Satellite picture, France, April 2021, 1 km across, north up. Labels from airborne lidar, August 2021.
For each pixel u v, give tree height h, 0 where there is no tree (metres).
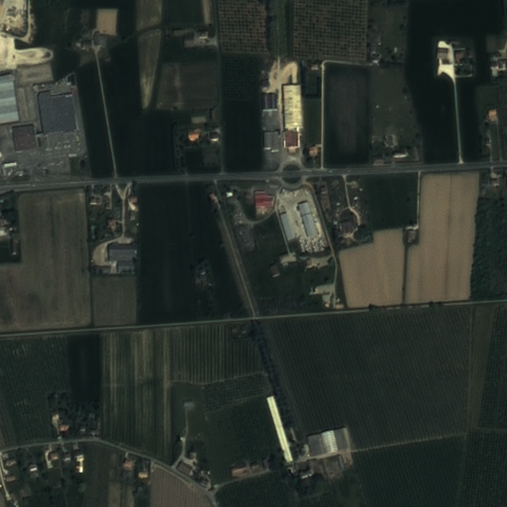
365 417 6
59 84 0
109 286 0
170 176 0
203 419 0
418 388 6
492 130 0
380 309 13
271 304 8
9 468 0
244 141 0
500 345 5
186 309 0
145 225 0
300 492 7
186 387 0
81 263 0
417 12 0
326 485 15
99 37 0
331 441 0
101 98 0
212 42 0
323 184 0
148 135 0
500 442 5
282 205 0
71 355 0
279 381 16
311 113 0
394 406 6
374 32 8
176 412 0
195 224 0
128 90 0
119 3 0
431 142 0
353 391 6
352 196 0
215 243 0
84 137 0
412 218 0
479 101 0
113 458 0
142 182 0
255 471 0
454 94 0
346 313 0
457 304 0
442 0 0
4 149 0
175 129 17
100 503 7
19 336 0
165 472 0
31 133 0
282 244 0
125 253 0
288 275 0
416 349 6
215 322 0
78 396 0
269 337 7
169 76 0
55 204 0
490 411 6
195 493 0
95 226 8
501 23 0
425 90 0
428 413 6
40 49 0
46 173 8
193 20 0
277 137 0
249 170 0
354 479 0
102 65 0
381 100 0
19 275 0
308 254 7
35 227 0
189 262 0
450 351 5
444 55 0
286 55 19
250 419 6
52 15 0
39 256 0
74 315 0
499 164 0
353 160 0
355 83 0
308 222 0
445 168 0
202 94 0
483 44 0
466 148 0
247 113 0
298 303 8
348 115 0
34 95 0
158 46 0
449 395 7
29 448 0
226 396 6
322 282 0
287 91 0
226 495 6
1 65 0
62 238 0
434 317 6
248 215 0
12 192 7
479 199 6
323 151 0
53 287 0
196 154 0
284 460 13
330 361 5
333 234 6
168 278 0
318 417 6
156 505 0
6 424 6
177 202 0
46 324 0
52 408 9
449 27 0
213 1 0
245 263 6
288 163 0
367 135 0
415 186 0
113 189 0
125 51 0
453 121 0
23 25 0
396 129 0
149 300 0
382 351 5
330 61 0
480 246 6
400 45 0
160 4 0
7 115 0
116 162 0
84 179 0
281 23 25
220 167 0
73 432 12
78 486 10
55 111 0
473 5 0
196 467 8
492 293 6
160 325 0
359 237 0
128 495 0
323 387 7
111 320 0
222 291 0
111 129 0
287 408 15
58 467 0
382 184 0
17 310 0
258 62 0
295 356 7
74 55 0
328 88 0
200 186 0
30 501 7
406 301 0
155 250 0
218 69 0
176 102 0
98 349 0
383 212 0
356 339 6
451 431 7
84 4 0
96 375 0
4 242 0
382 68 12
